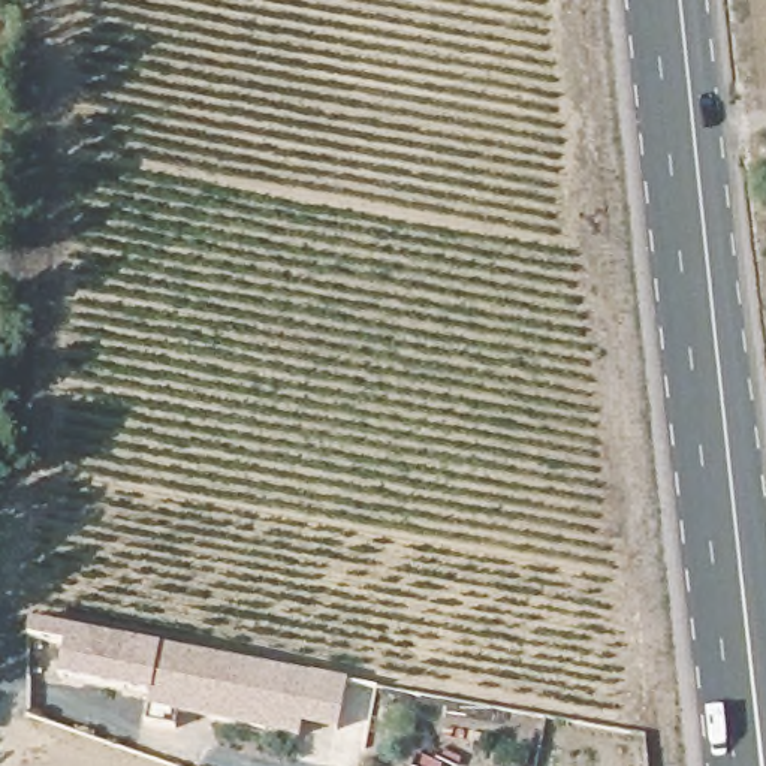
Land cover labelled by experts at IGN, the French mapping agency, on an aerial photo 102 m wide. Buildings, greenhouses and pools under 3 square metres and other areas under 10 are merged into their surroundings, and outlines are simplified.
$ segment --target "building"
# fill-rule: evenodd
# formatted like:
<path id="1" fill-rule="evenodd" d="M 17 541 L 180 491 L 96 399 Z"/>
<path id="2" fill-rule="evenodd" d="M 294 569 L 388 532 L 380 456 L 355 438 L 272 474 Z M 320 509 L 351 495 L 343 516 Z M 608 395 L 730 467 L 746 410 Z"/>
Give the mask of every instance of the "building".
<path id="1" fill-rule="evenodd" d="M 320 721 L 323 730 L 335 730 L 344 688 L 344 673 L 335 670 L 281 664 L 66 619 L 60 631 L 36 628 L 30 634 L 30 637 L 51 643 L 51 664 L 45 682 L 96 685 L 114 688 L 123 697 L 138 697 L 141 724 L 150 733 L 168 733 L 174 727 L 174 721 L 165 718 L 168 712 L 197 712 L 200 718 L 215 724 L 248 724 L 254 730 L 296 733 L 302 721 Z"/>

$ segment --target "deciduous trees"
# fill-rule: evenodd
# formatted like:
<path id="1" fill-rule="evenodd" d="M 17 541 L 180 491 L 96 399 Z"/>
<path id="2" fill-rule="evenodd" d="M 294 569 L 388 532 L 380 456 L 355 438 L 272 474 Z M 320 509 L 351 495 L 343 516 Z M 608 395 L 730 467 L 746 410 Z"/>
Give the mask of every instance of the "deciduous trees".
<path id="1" fill-rule="evenodd" d="M 0 509 L 12 506 L 12 497 L 30 473 L 42 470 L 42 446 L 27 416 L 18 422 L 9 419 L 6 404 L 15 398 L 15 392 L 0 386 Z"/>
<path id="2" fill-rule="evenodd" d="M 0 168 L 12 156 L 12 141 L 21 132 L 30 132 L 30 117 L 18 111 L 12 102 L 9 69 L 21 36 L 21 12 L 30 6 L 30 0 L 0 0 Z"/>
<path id="3" fill-rule="evenodd" d="M 21 350 L 24 320 L 30 317 L 30 308 L 24 302 L 15 302 L 9 293 L 18 278 L 6 275 L 9 239 L 3 233 L 3 224 L 12 218 L 30 218 L 36 209 L 33 203 L 18 203 L 9 186 L 0 180 L 0 359 L 15 356 Z"/>
<path id="4" fill-rule="evenodd" d="M 527 739 L 515 736 L 509 742 L 497 742 L 488 733 L 482 733 L 479 742 L 488 751 L 485 766 L 518 766 L 524 760 Z"/>
<path id="5" fill-rule="evenodd" d="M 413 730 L 413 718 L 401 706 L 389 706 L 389 727 L 401 739 Z"/>
<path id="6" fill-rule="evenodd" d="M 215 739 L 224 739 L 233 751 L 242 751 L 254 730 L 248 724 L 215 724 Z"/>

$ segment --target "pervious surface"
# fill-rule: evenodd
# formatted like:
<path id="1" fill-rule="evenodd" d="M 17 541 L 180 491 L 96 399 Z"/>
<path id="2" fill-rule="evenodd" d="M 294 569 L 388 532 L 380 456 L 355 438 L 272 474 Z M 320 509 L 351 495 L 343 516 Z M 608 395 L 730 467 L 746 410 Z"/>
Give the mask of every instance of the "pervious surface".
<path id="1" fill-rule="evenodd" d="M 30 604 L 24 607 L 30 634 L 36 628 L 60 631 L 66 619 L 45 616 L 45 604 Z"/>
<path id="2" fill-rule="evenodd" d="M 622 736 L 613 736 L 607 730 L 580 730 L 575 721 L 569 721 L 566 727 L 554 730 L 554 724 L 545 715 L 515 709 L 515 703 L 509 700 L 404 682 L 377 685 L 377 691 L 359 685 L 344 688 L 335 730 L 323 730 L 320 721 L 302 721 L 296 733 L 254 730 L 242 751 L 233 751 L 224 739 L 215 739 L 215 724 L 200 718 L 197 712 L 168 712 L 165 718 L 174 721 L 174 727 L 168 733 L 150 733 L 141 724 L 138 697 L 123 697 L 114 688 L 96 685 L 45 682 L 51 664 L 51 643 L 30 637 L 24 643 L 24 679 L 3 682 L 3 691 L 15 700 L 9 724 L 0 721 L 0 766 L 485 766 L 488 751 L 479 742 L 482 733 L 488 733 L 497 742 L 509 742 L 515 736 L 527 739 L 524 760 L 518 766 L 646 766 L 646 736 L 640 730 L 625 730 Z M 389 727 L 389 706 L 401 706 L 413 718 L 413 730 L 401 739 Z"/>

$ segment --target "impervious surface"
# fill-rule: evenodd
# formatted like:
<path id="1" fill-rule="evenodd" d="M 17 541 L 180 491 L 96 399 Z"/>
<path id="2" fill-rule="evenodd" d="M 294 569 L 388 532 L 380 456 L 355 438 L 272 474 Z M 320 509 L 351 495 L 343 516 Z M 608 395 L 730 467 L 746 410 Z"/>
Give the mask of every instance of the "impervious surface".
<path id="1" fill-rule="evenodd" d="M 667 374 L 670 380 L 670 395 L 664 398 L 664 422 L 673 425 L 676 434 L 676 443 L 667 449 L 667 458 L 670 470 L 679 473 L 676 521 L 685 524 L 679 563 L 691 575 L 691 589 L 685 592 L 685 613 L 694 619 L 697 631 L 691 640 L 691 664 L 700 670 L 697 703 L 706 706 L 709 736 L 706 742 L 700 742 L 697 766 L 766 766 L 766 0 L 628 0 L 625 33 L 634 42 L 634 57 L 628 69 L 631 84 L 637 87 L 634 126 L 643 135 L 640 180 L 649 186 L 643 221 L 655 233 L 649 275 L 658 278 L 658 302 L 652 308 L 655 326 L 664 329 L 664 350 L 658 353 L 658 365 L 661 374 Z"/>

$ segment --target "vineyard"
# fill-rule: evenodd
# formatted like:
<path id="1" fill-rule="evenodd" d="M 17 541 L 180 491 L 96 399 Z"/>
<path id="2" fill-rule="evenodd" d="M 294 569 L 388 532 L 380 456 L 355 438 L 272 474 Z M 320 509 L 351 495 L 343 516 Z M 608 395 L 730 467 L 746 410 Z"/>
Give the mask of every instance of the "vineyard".
<path id="1" fill-rule="evenodd" d="M 557 75 L 539 72 L 539 66 L 554 66 L 563 57 L 566 27 L 560 0 L 30 0 L 30 6 L 21 12 L 21 36 L 9 69 L 12 102 L 18 111 L 30 117 L 30 132 L 21 132 L 12 141 L 12 156 L 0 168 L 0 180 L 9 186 L 18 203 L 33 203 L 36 209 L 30 218 L 12 218 L 3 224 L 3 233 L 9 239 L 6 275 L 18 278 L 9 293 L 15 302 L 24 302 L 30 308 L 30 317 L 24 320 L 21 350 L 15 356 L 0 359 L 0 386 L 15 392 L 15 398 L 6 404 L 9 419 L 18 422 L 27 416 L 42 446 L 42 470 L 30 473 L 12 497 L 12 506 L 0 509 L 0 721 L 9 724 L 15 700 L 3 691 L 3 682 L 24 679 L 24 643 L 30 637 L 30 634 L 24 607 L 30 604 L 45 604 L 45 616 L 66 619 L 281 664 L 335 670 L 344 673 L 344 688 L 359 685 L 377 691 L 377 685 L 404 682 L 509 700 L 515 703 L 515 709 L 545 715 L 554 724 L 554 730 L 566 727 L 569 721 L 575 721 L 580 730 L 607 730 L 613 736 L 622 736 L 625 730 L 640 730 L 646 736 L 646 766 L 667 766 L 661 760 L 661 736 L 655 727 L 637 721 L 613 721 L 610 712 L 619 709 L 619 703 L 595 697 L 595 682 L 616 685 L 622 679 L 622 664 L 589 661 L 589 640 L 595 634 L 616 631 L 601 625 L 601 610 L 610 610 L 610 601 L 601 601 L 601 589 L 604 583 L 610 583 L 610 577 L 604 577 L 604 569 L 616 569 L 616 563 L 610 560 L 610 545 L 595 542 L 595 527 L 601 521 L 604 506 L 604 479 L 592 479 L 592 473 L 601 473 L 601 467 L 589 464 L 589 458 L 598 458 L 598 452 L 589 452 L 589 443 L 598 443 L 601 437 L 583 434 L 583 428 L 598 428 L 595 419 L 589 419 L 589 413 L 598 413 L 601 407 L 575 404 L 575 398 L 592 395 L 589 389 L 580 389 L 580 383 L 595 383 L 592 365 L 607 359 L 607 347 L 595 341 L 572 341 L 572 335 L 589 332 L 586 326 L 580 326 L 580 320 L 589 317 L 589 311 L 580 311 L 583 299 L 569 296 L 569 287 L 577 287 L 580 272 L 580 263 L 569 263 L 569 257 L 577 254 L 577 248 L 545 245 L 548 236 L 560 236 L 560 227 L 542 224 L 542 218 L 557 218 L 557 212 L 545 209 L 545 203 L 554 203 L 557 197 L 536 192 L 536 186 L 554 189 L 557 183 L 551 183 L 551 174 L 577 165 L 580 117 L 575 111 L 575 102 L 560 99 L 557 90 L 539 87 L 539 81 L 557 81 Z"/>

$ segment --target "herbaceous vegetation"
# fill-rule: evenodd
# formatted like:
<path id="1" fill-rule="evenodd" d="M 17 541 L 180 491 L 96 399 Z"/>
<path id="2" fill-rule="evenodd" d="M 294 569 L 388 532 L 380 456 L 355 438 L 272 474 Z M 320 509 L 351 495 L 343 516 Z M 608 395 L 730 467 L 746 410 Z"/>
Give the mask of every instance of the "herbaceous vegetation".
<path id="1" fill-rule="evenodd" d="M 601 601 L 610 601 L 610 610 L 601 610 L 601 625 L 616 631 L 595 634 L 589 640 L 589 661 L 622 664 L 622 679 L 616 685 L 595 682 L 595 697 L 619 703 L 619 709 L 610 712 L 613 721 L 637 721 L 655 727 L 661 736 L 661 760 L 667 766 L 697 766 L 700 742 L 706 742 L 709 736 L 706 706 L 697 703 L 700 670 L 691 664 L 691 640 L 697 631 L 694 619 L 685 613 L 685 592 L 691 589 L 691 575 L 679 563 L 685 524 L 676 521 L 679 473 L 670 470 L 667 458 L 667 449 L 676 443 L 676 434 L 673 425 L 664 422 L 664 398 L 670 395 L 670 380 L 667 374 L 661 374 L 658 365 L 658 353 L 664 350 L 664 329 L 655 326 L 652 308 L 658 302 L 658 278 L 649 275 L 655 233 L 643 221 L 649 186 L 640 180 L 643 135 L 634 126 L 637 87 L 631 84 L 628 69 L 634 57 L 634 42 L 625 33 L 628 0 L 560 0 L 566 27 L 563 57 L 554 66 L 539 66 L 539 72 L 557 75 L 557 81 L 539 81 L 539 87 L 557 90 L 560 99 L 575 102 L 575 111 L 580 117 L 577 165 L 551 174 L 551 183 L 557 183 L 554 189 L 536 186 L 536 192 L 557 197 L 554 203 L 545 203 L 545 209 L 557 212 L 557 218 L 542 218 L 542 224 L 560 227 L 560 236 L 548 236 L 545 245 L 577 248 L 577 254 L 569 257 L 569 263 L 580 263 L 580 272 L 577 287 L 569 287 L 569 296 L 583 299 L 580 311 L 589 311 L 589 317 L 580 320 L 580 326 L 586 326 L 589 332 L 572 335 L 572 341 L 595 341 L 607 347 L 607 359 L 592 365 L 595 383 L 580 383 L 580 389 L 589 389 L 592 395 L 575 398 L 575 404 L 601 407 L 598 413 L 589 413 L 589 419 L 595 419 L 598 428 L 583 428 L 583 434 L 601 437 L 598 443 L 589 443 L 589 452 L 598 452 L 598 458 L 589 458 L 589 464 L 601 467 L 601 473 L 592 473 L 592 479 L 604 479 L 604 506 L 601 521 L 595 527 L 595 542 L 610 545 L 610 560 L 616 563 L 616 569 L 604 569 L 604 577 L 610 577 L 610 583 L 604 583 L 601 589 Z"/>

